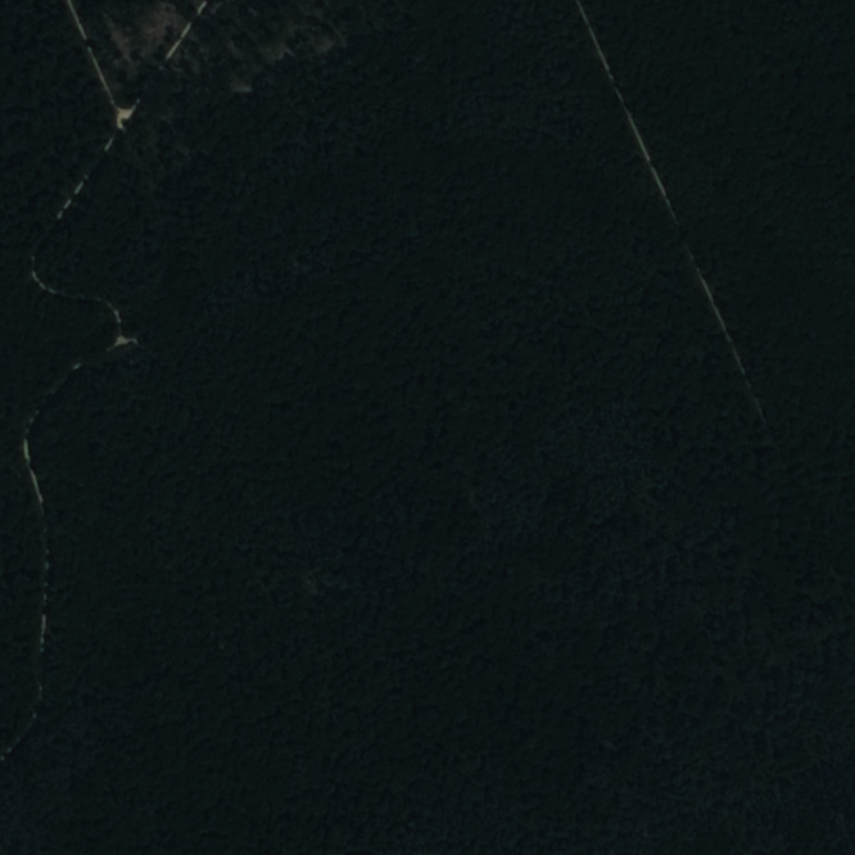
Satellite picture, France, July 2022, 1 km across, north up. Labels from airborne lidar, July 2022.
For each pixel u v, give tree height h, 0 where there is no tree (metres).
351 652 24
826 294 18
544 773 19
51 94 25
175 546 24
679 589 23
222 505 21
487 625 26
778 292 20
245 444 21
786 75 27
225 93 26
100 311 23
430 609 25
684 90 23
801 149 19
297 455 25
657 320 24
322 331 24
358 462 25
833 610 21
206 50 21
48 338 20
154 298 24
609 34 20
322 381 24
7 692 25
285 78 25
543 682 24
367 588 19
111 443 26
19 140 26
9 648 23
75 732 21
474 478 14
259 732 26
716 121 26
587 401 23
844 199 20
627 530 26
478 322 24
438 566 24
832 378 22
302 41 23
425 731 23
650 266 23
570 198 22
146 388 22
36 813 19
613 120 23
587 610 25
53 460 20
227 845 23
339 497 18
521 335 28
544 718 29
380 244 24
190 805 27
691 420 26
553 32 22
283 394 18
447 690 22
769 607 22
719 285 21
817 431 27
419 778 21
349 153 24
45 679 18
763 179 24
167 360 23
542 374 23
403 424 22
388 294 26
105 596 24
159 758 22
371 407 27
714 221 20
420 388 29
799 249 19
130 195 23
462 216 20
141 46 0
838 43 28
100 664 22
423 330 23
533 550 25
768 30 25
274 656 27
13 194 22
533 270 22
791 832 20
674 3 21
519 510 26
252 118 20
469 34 25
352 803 26
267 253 18
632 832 25
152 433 18
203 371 22
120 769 24
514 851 22
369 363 26
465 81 21
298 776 28
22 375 21
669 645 22
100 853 20
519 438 25
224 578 21
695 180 22
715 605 10
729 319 24
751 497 27
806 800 16
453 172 24
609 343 25
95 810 25
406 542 24
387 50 26
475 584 32
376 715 26
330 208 22
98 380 21
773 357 25
